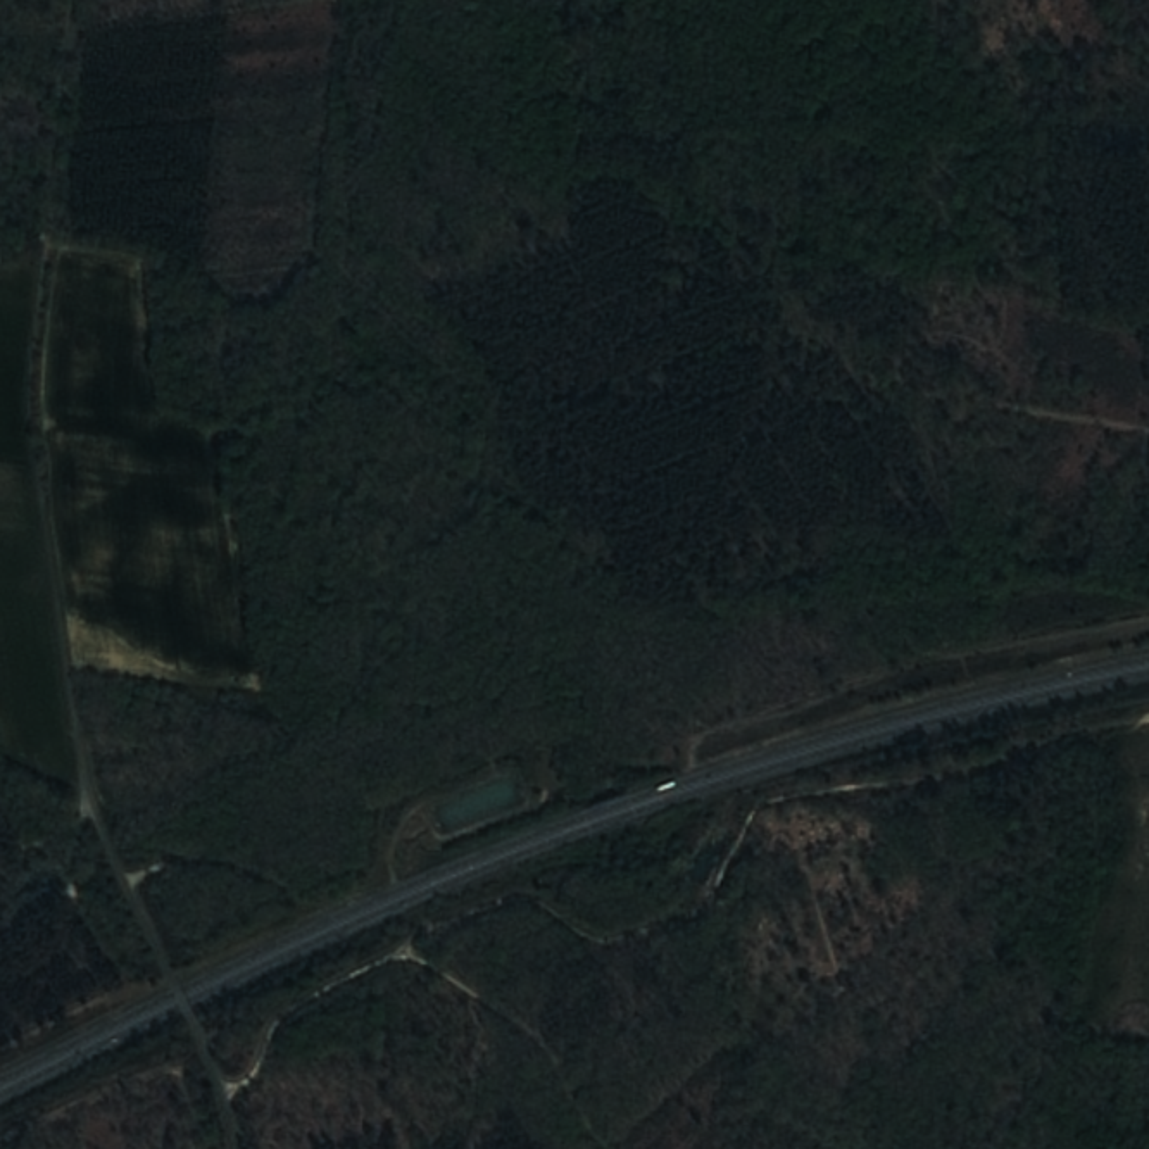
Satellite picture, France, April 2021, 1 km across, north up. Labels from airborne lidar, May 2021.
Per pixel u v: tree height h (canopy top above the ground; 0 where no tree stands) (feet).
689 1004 60
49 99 70
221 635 0
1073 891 50
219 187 19
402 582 37
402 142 73
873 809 42
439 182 58
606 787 28
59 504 0
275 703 47
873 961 38
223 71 32
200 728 43
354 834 65
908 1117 69
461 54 61
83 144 35
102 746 55
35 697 0
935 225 29
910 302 63
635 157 73
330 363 64
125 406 0
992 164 65
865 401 79
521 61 63
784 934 38
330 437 79
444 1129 55
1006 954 75
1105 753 28
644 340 67
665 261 34
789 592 59
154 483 0
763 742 0
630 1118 59
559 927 57
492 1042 76
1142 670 0
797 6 75
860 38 70
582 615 72
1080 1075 47
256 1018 41
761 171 52
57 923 70
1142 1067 64
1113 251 84
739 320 60
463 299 67
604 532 64
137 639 0
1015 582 58
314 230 30
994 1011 45
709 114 61
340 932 0
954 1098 59
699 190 62
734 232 49
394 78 87
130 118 43
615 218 65
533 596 67
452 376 33
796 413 56
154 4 56
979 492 48
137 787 65
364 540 72
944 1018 51
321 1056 41
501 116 60
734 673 54
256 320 73
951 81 74
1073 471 0
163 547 0
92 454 0
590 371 67
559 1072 37
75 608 0
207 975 0
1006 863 33
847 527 57
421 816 0
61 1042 0
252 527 76
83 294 0
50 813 49
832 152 59
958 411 47
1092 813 52
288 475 52
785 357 56
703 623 62
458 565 66
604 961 35
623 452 65
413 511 43
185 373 65
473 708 72
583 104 39
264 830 56
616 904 69
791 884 70
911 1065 50
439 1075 63
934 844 59
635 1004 46
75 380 0
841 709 0
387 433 75
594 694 70
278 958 0
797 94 69
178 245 43
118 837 47
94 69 37
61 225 55
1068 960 54
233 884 59
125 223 34
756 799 27
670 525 64
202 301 73
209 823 64
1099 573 55
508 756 23
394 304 46
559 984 66
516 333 48
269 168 24
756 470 68
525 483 39
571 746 44
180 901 52
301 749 92
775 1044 71
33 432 40
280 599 80
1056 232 54
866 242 45
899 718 0
